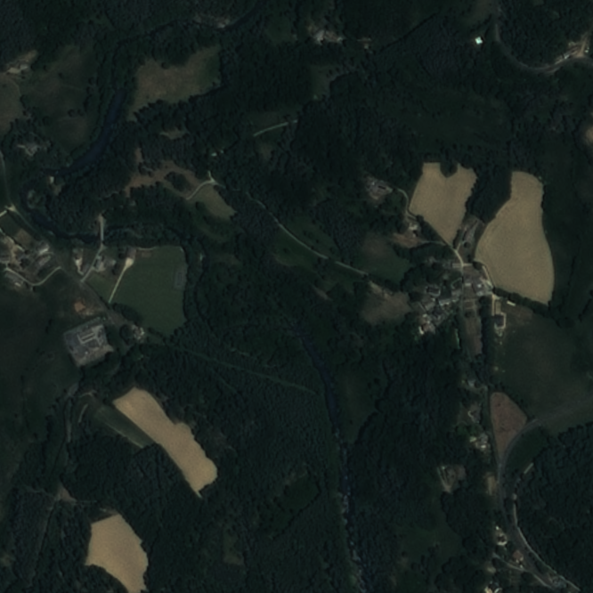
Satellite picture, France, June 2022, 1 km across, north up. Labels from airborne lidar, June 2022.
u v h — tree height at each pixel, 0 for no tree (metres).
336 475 16
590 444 28
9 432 6
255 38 19
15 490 7
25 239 0
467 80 16
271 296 18
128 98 13
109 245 13
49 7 20
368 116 22
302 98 20
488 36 14
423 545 0
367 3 18
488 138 7
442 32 19
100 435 17
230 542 0
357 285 14
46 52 15
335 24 12
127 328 19
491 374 17
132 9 27
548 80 7
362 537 29
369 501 25
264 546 23
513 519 18
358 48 26
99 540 0
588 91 0
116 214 16
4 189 0
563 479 30
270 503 23
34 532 21
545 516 14
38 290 11
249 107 13
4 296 0
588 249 0
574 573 19
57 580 25
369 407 0
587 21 18
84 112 13
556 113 20
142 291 0
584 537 21
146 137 27
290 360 18
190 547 12
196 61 0
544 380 0
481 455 14
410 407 29
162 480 27
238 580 8
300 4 8
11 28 19
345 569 21
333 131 23
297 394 18
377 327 7
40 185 16
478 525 23
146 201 19
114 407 8
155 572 20
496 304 0
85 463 20
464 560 17
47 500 20
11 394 0
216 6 18
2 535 6
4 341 0
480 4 0
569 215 0
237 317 14
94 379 19
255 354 16
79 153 14
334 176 22
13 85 0
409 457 27
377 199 0
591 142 0
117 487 16
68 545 18
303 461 22
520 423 0
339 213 22
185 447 0
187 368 26
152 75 0
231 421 21
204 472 0
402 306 0
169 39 9
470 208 15
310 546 25
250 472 17
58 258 0
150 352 19
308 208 22
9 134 9
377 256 0
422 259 22
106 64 18
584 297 0
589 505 19
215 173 10
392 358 10
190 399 14
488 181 19
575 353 0
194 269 21
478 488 17
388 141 17
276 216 13
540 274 0
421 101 8
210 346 21
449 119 0
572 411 0
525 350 0
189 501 16
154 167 18
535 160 9
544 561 12
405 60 19
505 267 0
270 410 24
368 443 28
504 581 12
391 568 21
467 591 14
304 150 18
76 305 0
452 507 24
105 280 0
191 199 0
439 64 19
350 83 21
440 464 20
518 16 18
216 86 15
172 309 0
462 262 0
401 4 19
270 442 30
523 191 0
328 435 16
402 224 15
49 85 0
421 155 12
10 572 23
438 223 0
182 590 18
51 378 0
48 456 26
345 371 17
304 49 25
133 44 15
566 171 0
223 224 6
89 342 0
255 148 15
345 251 22
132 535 0
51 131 0
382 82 25
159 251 0
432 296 6
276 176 20
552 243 0
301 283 19
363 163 9
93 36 25
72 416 10
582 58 0
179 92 0
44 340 0
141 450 6
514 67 16
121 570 0
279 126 0
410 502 25
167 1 22
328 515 24
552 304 13
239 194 20
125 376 19
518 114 16
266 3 9
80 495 20
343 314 21
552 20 17
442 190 0
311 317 17
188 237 10
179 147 23
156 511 22
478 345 0
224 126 15
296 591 31
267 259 20
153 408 0
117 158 8
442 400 28
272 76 8
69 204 25
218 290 14
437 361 28
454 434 16
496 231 0
